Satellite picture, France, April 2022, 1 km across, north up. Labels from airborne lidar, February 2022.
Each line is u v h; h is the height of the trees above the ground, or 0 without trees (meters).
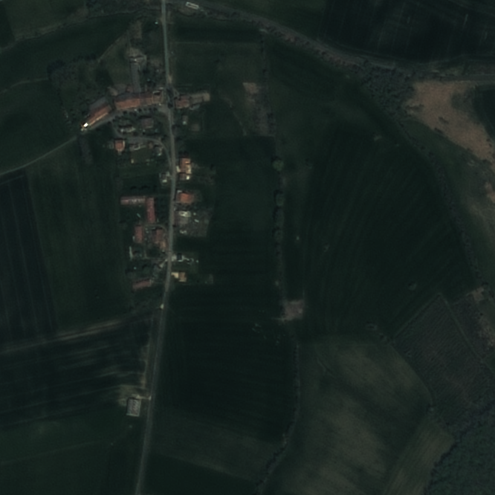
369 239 0
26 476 0
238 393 0
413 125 0
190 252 0
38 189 0
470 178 0
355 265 0
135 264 0
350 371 0
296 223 0
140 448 0
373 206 0
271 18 0
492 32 0
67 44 0
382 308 0
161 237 0
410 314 0
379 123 0
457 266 0
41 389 0
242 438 0
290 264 0
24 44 0
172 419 0
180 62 0
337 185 0
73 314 0
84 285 0
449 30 0
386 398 0
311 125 0
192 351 0
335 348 0
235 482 0
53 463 0
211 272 0
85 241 0
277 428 0
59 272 0
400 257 0
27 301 0
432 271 0
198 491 0
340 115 0
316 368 0
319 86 0
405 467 0
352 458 0
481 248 0
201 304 0
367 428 0
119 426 0
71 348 0
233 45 0
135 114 7
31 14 0
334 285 0
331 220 0
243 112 0
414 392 0
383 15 0
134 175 0
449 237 0
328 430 0
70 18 0
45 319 0
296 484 0
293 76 0
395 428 0
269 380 0
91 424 0
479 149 0
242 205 0
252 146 0
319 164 0
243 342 0
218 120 0
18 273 0
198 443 0
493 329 0
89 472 0
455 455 15
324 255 0
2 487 0
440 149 0
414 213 0
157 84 11
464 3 0
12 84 0
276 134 15
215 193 0
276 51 0
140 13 0
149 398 0
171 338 0
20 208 0
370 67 15
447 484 24
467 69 0
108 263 0
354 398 0
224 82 0
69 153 0
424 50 0
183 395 0
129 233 0
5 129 0
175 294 0
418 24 0
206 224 0
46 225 0
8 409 0
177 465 0
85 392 0
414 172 0
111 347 0
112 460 0
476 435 26
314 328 0
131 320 0
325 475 0
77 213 0
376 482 0
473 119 0
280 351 0
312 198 0
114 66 0
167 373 0
